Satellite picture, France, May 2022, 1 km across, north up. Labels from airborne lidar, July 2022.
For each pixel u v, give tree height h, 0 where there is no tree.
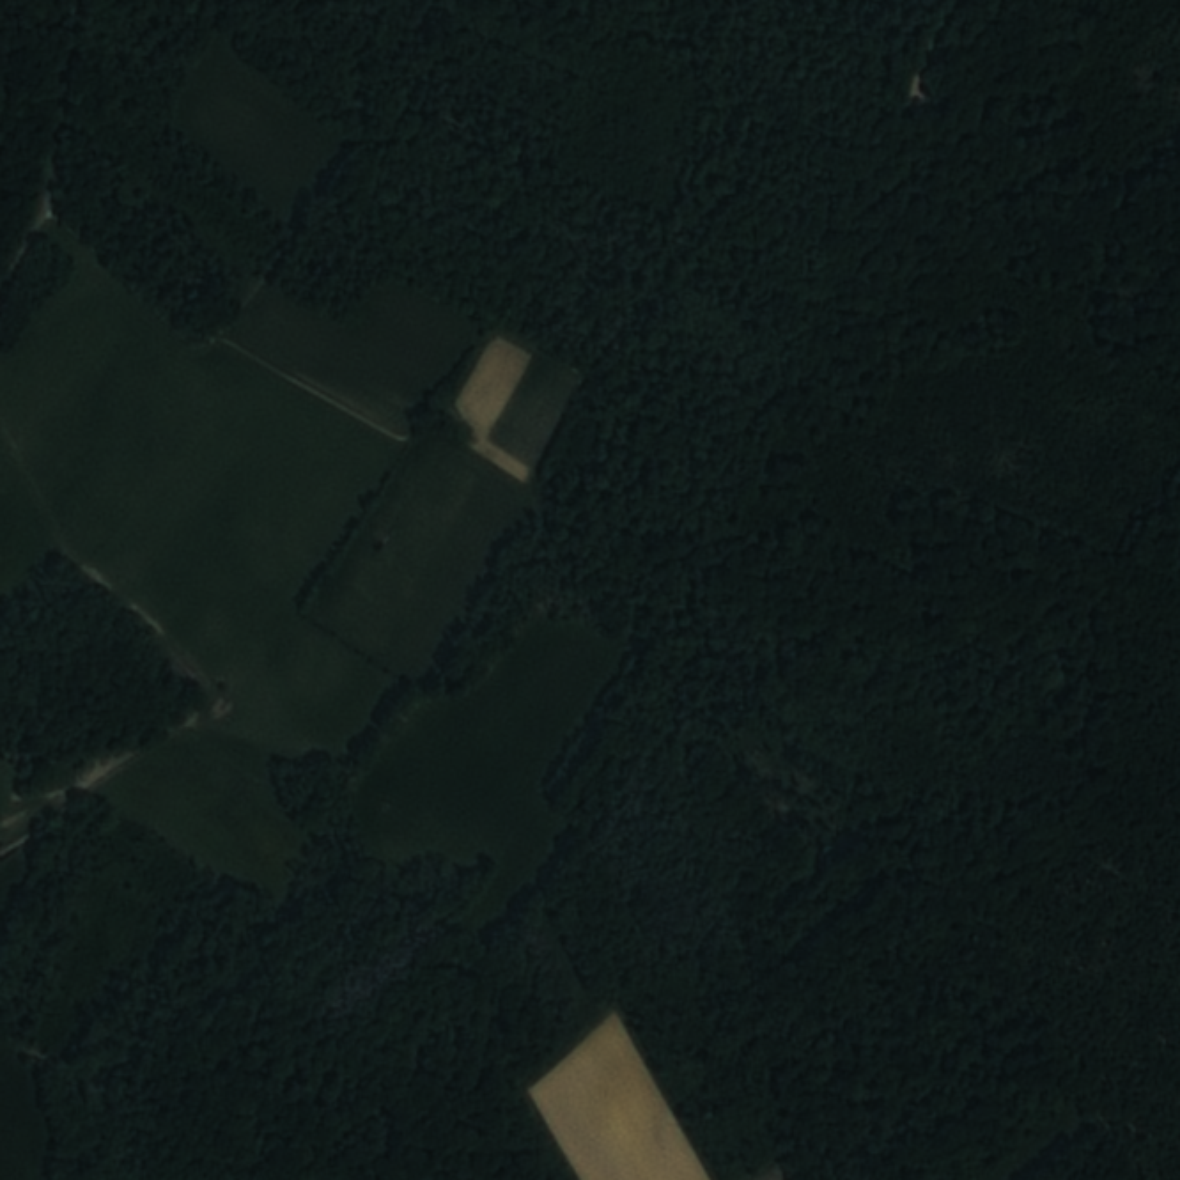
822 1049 27
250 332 0
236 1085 29
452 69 28
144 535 0
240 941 9
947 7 24
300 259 21
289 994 30
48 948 28
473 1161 30
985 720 24
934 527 28
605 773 25
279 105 0
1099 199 27
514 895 0
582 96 24
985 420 10
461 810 0
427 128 29
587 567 21
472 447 0
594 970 25
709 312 26
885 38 18
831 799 13
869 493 7
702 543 22
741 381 23
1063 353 8
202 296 28
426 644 0
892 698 17
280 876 0
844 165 22
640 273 28
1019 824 27
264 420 0
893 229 27
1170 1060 15
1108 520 8
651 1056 9
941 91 21
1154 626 18
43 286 10
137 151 10
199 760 0
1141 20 8
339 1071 27
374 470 0
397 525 0
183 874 6
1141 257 26
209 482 0
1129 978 20
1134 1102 16
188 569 0
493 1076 29
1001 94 8
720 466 26
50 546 0
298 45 24
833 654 25
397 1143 29
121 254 25
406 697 21
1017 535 22
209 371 0
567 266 9
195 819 0
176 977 27
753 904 28
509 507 0
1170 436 8
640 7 26
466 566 0
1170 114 8
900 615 24
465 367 8
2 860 7
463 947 24
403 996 23
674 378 21
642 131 12
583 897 27
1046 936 15
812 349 20
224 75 0
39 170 24
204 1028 25
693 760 24
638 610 7
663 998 12
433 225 30
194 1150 25
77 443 0
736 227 20
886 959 24
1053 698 11
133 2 24
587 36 31
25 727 17
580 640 0
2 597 0
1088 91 9
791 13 26
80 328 0
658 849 26
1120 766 16
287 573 0
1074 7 17
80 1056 25
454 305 12
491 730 0
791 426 24
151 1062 22
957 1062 22
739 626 27
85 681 26
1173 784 18
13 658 22
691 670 12
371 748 21
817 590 22
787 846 33
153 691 24
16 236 23
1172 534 19
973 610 28
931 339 24
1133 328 26
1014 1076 31
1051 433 9
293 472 0
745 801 33
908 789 15
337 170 17
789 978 23
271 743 0
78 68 28
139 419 0
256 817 0
